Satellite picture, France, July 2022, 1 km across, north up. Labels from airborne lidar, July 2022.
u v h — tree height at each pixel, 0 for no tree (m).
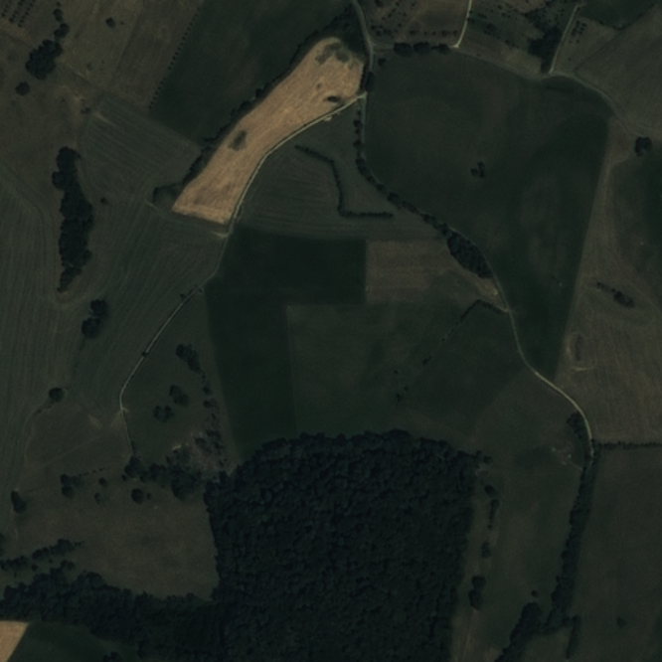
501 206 0
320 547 29
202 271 0
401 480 26
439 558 25
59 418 0
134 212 0
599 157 0
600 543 0
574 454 0
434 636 25
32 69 20
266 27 0
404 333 0
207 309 0
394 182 0
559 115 0
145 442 0
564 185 0
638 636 0
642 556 0
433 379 0
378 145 0
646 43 0
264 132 0
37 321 0
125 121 0
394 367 0
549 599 0
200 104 0
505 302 0
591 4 0
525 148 0
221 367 0
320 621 18
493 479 0
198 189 0
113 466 0
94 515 0
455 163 0
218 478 7
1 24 0
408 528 22
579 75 0
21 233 0
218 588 0
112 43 0
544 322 0
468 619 0
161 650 15
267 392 0
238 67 0
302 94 0
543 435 0
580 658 0
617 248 0
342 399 0
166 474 26
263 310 0
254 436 0
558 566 0
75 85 0
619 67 0
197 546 0
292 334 0
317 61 0
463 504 22
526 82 0
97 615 20
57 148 0
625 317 0
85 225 23
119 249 0
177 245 0
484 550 7
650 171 0
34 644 0
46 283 0
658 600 0
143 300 0
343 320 0
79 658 0
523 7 0
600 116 0
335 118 0
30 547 0
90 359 0
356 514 22
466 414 0
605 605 0
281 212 0
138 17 0
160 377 0
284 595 15
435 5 0
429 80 0
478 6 0
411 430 0
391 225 0
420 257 0
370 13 0
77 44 0
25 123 0
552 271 0
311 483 26
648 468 0
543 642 0
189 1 0
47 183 0
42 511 0
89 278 0
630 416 0
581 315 0
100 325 15
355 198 0
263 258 0
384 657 19
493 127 0
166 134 0
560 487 0
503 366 0
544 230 0
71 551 7
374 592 23
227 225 0
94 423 0
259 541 26
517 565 0
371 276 0
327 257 0
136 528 0
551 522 0
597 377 0
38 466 0
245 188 0
